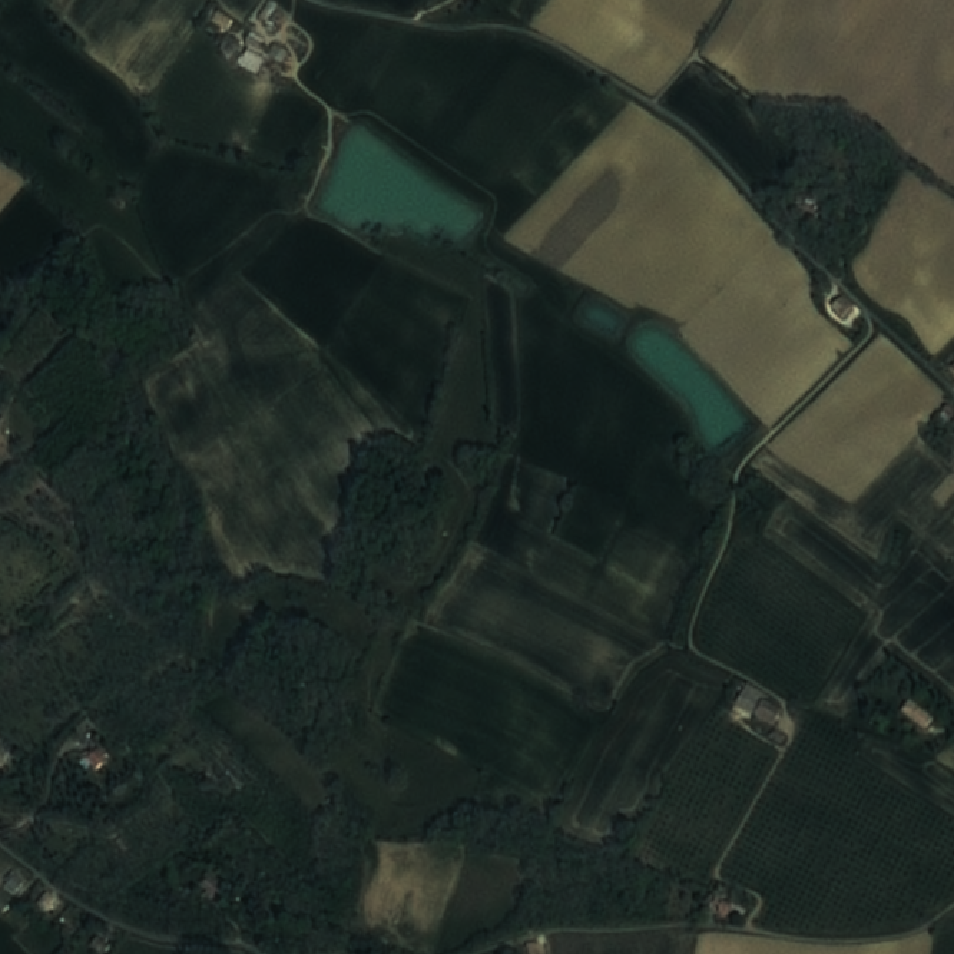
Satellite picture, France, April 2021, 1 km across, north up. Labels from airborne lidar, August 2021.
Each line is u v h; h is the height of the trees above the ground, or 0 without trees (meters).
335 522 0
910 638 0
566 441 0
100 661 19
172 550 10
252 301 0
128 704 15
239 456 0
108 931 12
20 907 17
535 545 0
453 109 0
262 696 18
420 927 0
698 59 0
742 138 0
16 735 11
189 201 0
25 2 0
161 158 0
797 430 0
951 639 0
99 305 25
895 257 0
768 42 0
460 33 0
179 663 9
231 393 0
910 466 0
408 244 0
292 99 0
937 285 0
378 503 21
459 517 0
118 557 19
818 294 13
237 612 0
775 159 0
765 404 0
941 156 0
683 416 0
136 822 19
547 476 0
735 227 0
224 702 0
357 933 13
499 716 0
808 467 0
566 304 0
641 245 0
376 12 0
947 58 0
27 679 14
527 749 0
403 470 9
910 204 0
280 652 22
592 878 18
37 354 9
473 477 19
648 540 0
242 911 8
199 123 0
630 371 0
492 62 0
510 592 0
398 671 0
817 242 15
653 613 0
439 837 11
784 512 0
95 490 20
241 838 9
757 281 0
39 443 13
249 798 14
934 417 6
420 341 0
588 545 0
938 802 0
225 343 0
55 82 0
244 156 20
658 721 0
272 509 0
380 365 0
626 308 0
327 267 0
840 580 0
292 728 14
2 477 13
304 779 0
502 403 0
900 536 6
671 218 0
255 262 0
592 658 0
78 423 15
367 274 0
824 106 17
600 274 0
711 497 19
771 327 0
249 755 15
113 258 0
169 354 13
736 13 0
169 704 17
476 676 0
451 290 0
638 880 14
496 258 0
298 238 0
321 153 0
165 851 19
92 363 14
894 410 0
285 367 0
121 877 19
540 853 19
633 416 0
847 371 0
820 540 0
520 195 0
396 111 0
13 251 0
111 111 0
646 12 0
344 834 17
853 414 0
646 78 0
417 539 17
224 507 0
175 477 16
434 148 0
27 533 6
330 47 0
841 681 0
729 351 0
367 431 0
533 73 0
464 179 0
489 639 0
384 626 18
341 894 19
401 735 0
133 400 18
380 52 0
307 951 13
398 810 0
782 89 0
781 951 0
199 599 23
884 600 0
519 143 0
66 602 16
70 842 6
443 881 0
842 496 0
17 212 0
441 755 0
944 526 0
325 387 0
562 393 0
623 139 0
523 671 0
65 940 10
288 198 0
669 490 0
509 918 9
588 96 0
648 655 0
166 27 0
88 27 0
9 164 13
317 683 7
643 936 0
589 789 0
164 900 15
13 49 0
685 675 0
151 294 16
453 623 0
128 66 0
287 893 18
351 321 0
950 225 0
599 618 0
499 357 0
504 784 0
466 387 0
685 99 0
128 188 15
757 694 0
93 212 0
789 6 0
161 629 14
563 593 0
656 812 8
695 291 0
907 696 7
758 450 0
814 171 18
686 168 0
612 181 0
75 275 14
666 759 0
